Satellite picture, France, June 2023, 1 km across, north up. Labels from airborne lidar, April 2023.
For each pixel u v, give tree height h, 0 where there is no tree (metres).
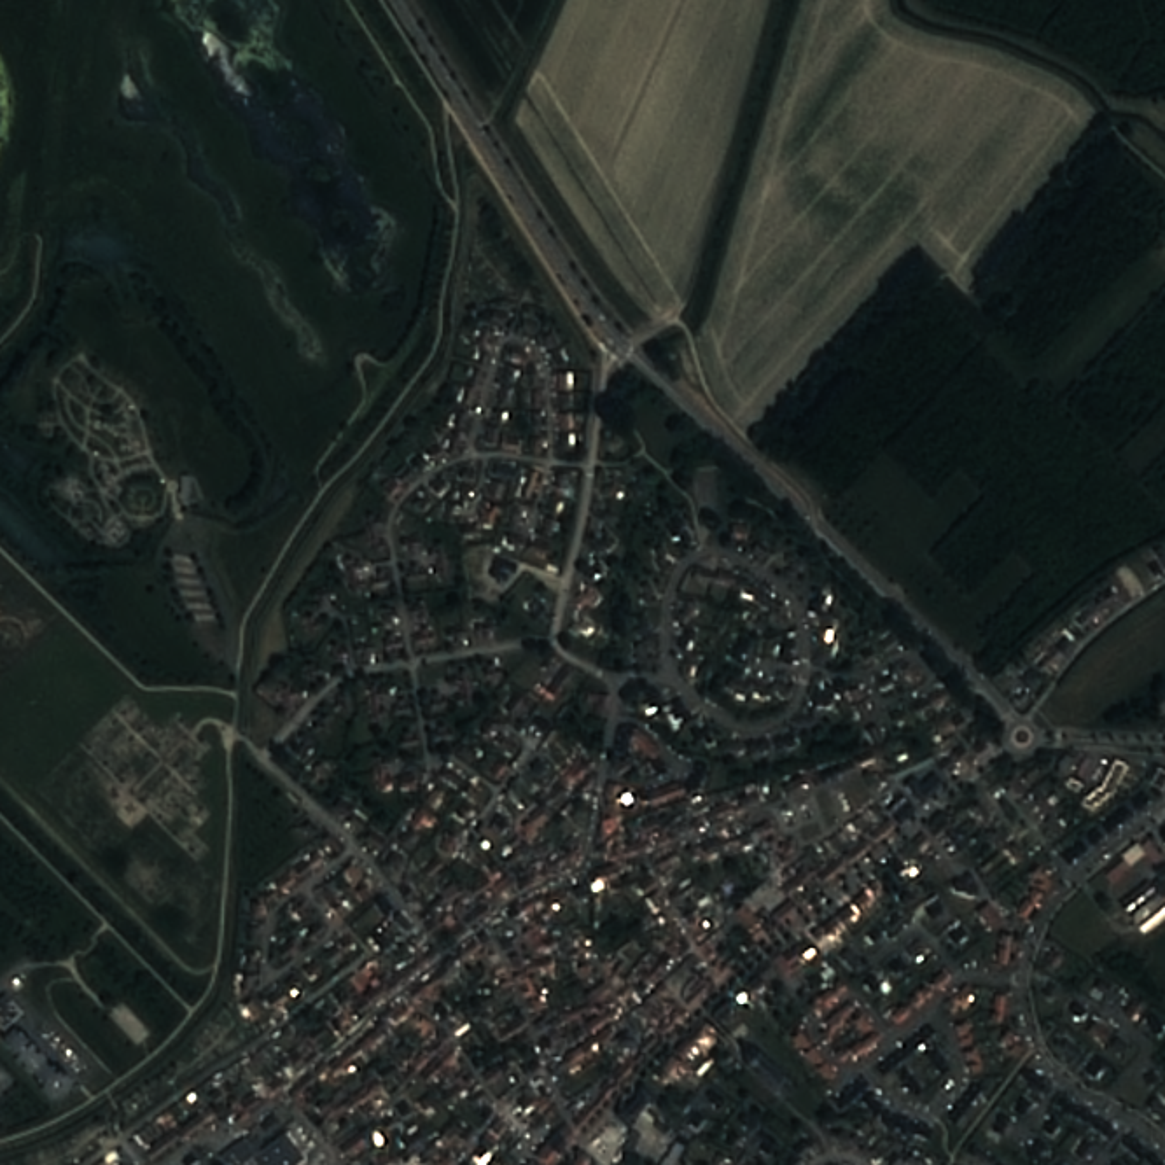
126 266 0
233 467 0
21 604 0
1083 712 0
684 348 0
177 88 0
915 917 0
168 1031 0
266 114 0
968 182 0
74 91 0
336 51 0
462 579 10
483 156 0
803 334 0
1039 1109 0
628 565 8
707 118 0
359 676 10
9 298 0
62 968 0
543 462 0
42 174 0
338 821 0
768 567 0
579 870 0
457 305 0
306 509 0
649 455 0
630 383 10
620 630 10
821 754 8
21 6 0
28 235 0
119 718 0
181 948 0
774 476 0
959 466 7
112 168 0
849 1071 0
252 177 0
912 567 0
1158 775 0
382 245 0
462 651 0
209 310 0
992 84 0
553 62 0
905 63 0
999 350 0
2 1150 0
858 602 6
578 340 0
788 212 0
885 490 0
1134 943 0
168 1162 0
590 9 0
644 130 0
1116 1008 0
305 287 0
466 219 0
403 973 0
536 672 0
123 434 0
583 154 0
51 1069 0
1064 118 0
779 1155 6
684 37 0
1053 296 8
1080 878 0
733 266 0
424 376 0
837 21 0
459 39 0
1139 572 0
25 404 0
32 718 0
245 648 0
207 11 0
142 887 0
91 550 7
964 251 0
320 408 0
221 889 0
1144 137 0
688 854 0
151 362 0
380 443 0
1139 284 0
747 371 0
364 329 0
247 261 0
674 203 0
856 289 0
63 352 7
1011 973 0
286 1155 0
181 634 0
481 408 0
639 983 0
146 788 0
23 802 0
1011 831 0
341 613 6
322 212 0
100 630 0
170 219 0
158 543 0
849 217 0
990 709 8
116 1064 0
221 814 0
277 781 0
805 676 0
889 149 0
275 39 0
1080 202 15
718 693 8
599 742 8
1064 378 0
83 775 0
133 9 0
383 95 0
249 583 0
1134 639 0
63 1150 0
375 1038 0
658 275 0
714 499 0
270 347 0
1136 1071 0
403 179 0
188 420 0
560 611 0
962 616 0
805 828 0
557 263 0
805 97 0
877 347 11
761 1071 0
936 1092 0
